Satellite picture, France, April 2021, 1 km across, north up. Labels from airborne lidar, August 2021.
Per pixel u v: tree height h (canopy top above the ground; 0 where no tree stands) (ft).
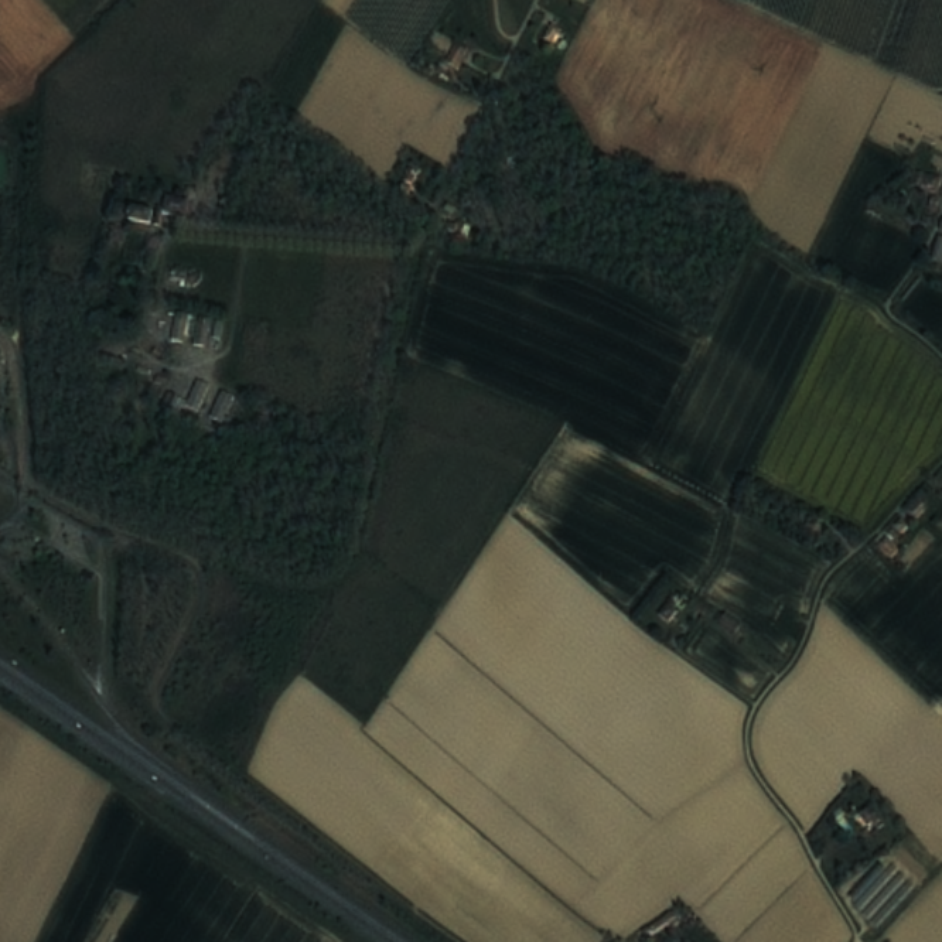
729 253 48
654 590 29
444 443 0
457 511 0
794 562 0
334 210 33
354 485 67
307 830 31
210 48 0
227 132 50
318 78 0
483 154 57
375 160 0
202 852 0
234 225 61
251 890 0
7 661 0
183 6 0
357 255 45
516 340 0
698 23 0
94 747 0
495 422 0
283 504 37
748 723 0
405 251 57
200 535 53
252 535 51
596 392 0
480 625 0
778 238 39
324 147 70
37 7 0
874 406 0
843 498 0
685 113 0
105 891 0
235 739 0
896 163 0
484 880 0
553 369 0
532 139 56
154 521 60
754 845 0
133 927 0
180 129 0
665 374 0
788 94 0
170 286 0
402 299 40
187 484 69
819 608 0
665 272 59
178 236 70
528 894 0
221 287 0
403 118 0
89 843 0
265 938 0
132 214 0
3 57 0
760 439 0
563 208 60
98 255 53
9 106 0
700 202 60
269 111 35
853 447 0
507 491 0
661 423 0
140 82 0
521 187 37
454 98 0
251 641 20
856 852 0
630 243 66
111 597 0
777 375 0
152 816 0
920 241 39
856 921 0
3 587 20
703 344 0
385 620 0
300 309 0
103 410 75
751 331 0
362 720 0
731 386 0
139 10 0
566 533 0
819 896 0
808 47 0
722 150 0
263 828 0
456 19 0
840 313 0
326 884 0
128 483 58
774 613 0
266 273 0
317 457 72
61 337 55
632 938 0
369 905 0
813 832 23
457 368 0
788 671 0
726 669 0
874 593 0
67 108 0
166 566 33
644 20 0
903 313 34
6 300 19
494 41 0
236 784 38
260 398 66
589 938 0
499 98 61
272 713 0
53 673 0
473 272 0
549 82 42
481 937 0
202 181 59
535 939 0
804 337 0
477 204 52
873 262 0
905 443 0
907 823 39
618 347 0
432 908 0
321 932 0
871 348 0
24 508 0
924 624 0
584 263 60
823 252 0
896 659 0
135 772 0
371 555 19
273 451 80
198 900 0
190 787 0
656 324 0
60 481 50
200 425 67
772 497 51
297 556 57
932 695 0
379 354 48
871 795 22
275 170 50
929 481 38
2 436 41
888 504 0
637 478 0
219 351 0
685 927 32
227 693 0
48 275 44
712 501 0
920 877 0
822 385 0
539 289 0
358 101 0
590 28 0
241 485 73
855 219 0
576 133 63
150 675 32
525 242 56
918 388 0
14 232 17
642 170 41
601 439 0
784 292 0
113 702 0
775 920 0
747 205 40
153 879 0
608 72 0
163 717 0
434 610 0
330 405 17
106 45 0
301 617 19
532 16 0
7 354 0
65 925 0
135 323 63
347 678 0
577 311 0
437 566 0
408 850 0
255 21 0
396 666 0
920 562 0
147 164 0
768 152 0
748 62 0
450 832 0
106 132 0
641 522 0
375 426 60
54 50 0
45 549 24
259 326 18
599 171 36
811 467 0
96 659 0
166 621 38
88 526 19
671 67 0
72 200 0
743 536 0
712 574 0
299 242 66
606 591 0
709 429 0
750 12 0
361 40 0
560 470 0
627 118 0
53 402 58
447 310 0
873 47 17
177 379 0
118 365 39
